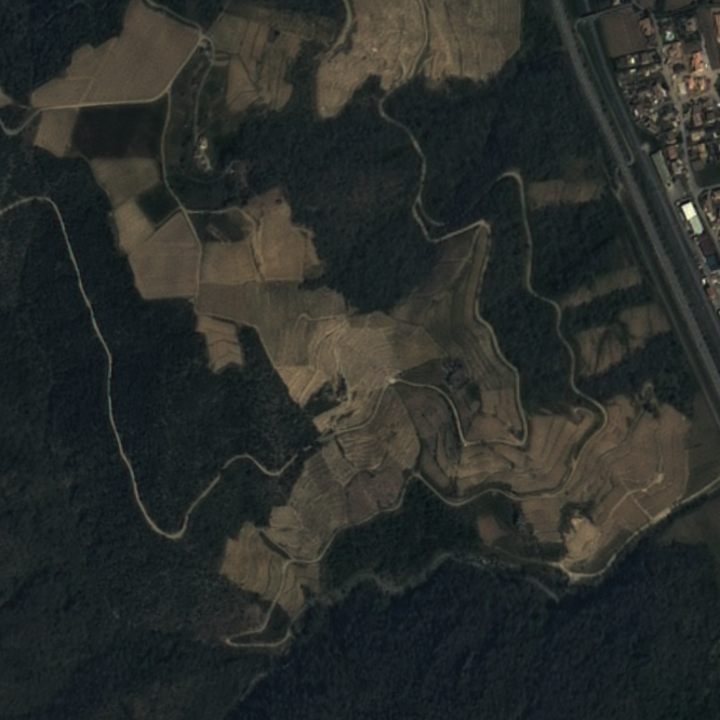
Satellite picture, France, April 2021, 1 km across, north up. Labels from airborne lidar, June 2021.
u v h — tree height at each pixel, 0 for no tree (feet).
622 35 0
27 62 31
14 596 18
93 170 0
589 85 0
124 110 0
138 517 30
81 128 0
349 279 32
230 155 29
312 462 0
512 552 0
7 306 41
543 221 47
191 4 0
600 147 22
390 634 43
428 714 29
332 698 70
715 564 56
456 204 52
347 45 0
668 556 37
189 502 19
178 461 17
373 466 0
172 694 19
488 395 0
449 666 32
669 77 0
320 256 34
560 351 48
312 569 0
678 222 0
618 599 36
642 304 21
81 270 25
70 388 24
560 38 36
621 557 50
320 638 36
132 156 0
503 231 49
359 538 26
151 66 0
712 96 0
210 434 24
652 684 27
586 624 37
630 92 0
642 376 32
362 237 64
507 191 32
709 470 0
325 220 37
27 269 20
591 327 56
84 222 20
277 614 36
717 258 22
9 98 0
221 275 0
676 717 52
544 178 18
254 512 20
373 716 27
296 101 19
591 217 34
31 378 32
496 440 0
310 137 32
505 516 0
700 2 29
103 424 20
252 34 0
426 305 0
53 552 35
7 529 24
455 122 44
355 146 34
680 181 0
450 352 0
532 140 28
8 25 24
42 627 23
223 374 23
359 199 27
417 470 0
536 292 33
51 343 25
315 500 0
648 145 0
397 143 41
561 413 0
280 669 33
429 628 31
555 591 28
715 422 0
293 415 21
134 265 0
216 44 0
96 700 26
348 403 0
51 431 34
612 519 0
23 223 22
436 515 24
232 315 0
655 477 0
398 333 0
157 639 41
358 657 51
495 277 50
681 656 40
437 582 48
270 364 21
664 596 42
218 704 68
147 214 0
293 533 0
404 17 0
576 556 0
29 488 22
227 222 0
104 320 22
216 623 25
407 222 58
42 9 24
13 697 19
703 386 0
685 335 0
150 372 27
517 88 58
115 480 20
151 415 19
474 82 25
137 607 19
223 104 0
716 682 23
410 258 33
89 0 28
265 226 0
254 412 30
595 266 25
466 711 24
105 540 23
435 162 48
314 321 0
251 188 27
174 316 0
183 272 0
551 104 42
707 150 21
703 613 65
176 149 0
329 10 26
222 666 23
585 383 53
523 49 34
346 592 31
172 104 0
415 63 0
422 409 0
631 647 20
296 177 32
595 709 21
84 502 34
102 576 18
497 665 27
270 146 41
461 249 0
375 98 55
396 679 25
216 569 36
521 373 32
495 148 39
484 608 62
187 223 0
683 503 33
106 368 19
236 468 26
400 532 28
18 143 22
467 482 0
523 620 33
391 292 19
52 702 27
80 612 20
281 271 0
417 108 83
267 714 79
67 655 51
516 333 51
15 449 30
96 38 20
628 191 0
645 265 26
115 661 25
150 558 26
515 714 45
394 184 35
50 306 21
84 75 0
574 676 22
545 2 25
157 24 0
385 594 37
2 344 27
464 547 28
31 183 22
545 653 22
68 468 34
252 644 31
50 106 0
